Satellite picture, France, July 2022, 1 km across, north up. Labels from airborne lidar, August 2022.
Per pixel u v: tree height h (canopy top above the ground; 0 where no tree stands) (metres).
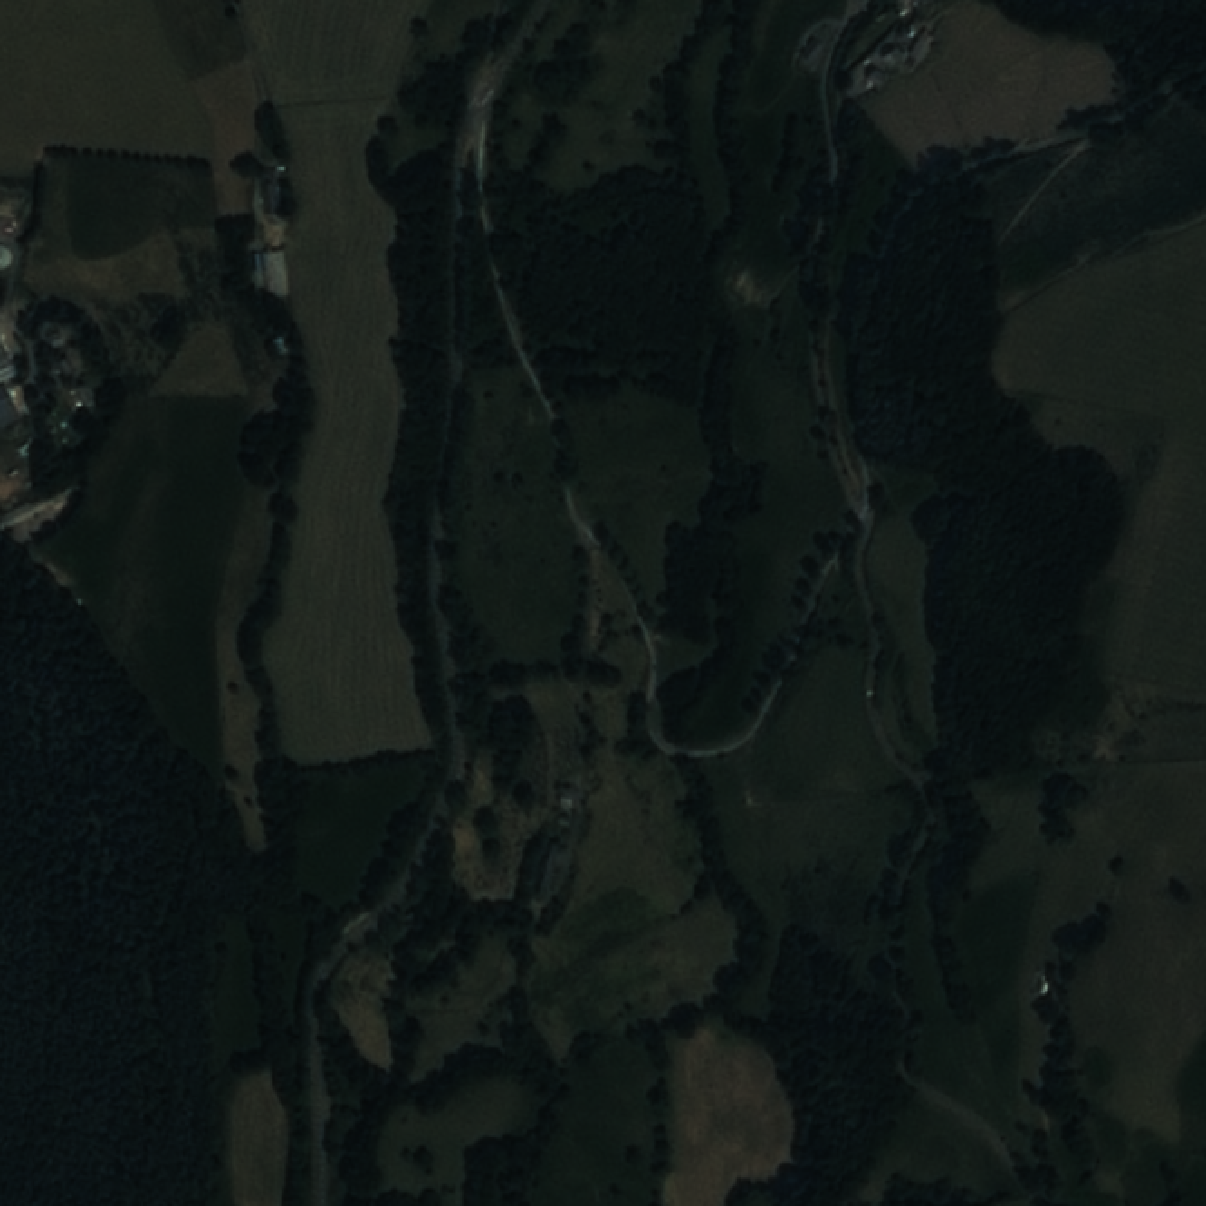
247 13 0
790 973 6
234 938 0
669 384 18
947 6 0
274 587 20
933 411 20
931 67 0
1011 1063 0
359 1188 24
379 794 0
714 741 0
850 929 0
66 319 17
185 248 0
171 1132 22
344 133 0
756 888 0
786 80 0
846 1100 21
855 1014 13
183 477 0
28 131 0
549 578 0
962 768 16
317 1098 0
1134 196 0
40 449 14
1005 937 0
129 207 0
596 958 0
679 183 10
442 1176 0
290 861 25
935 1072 0
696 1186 0
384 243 0
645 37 0
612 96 0
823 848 0
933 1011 0
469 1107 0
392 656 0
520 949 12
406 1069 15
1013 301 0
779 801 0
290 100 0
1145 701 0
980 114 0
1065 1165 0
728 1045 0
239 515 0
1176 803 0
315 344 0
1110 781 0
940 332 25
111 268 0
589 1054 13
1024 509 28
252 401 0
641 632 8
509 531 0
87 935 20
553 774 0
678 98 10
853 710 0
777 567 0
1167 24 28
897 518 0
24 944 22
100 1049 23
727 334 17
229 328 0
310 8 0
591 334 16
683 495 0
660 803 0
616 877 0
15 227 0
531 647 0
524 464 0
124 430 0
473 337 24
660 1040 19
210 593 0
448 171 13
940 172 21
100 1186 24
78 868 15
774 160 0
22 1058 19
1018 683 23
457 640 21
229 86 0
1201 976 0
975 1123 0
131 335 0
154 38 0
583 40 8
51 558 0
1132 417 0
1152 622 0
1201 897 0
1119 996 0
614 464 0
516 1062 12
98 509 0
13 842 20
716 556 17
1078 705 0
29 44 0
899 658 0
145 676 0
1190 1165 0
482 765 0
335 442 0
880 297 26
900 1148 0
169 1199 28
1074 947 16
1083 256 0
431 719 17
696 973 0
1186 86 21
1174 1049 0
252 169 16
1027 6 27
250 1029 0
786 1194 28
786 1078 19
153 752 21
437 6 0
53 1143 23
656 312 17
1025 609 23
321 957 19
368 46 0
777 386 0
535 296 16
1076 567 24
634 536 0
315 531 0
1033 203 0
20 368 16
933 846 6
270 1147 0
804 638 17
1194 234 0
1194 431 0
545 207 11
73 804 27
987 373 16
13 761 24
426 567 9
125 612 0
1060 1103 20
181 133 0
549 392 17
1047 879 0
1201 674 0
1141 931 0
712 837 15
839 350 0
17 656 32
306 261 0
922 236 25
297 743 0
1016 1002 0
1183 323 0
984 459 23
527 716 31
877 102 0
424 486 20
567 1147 0
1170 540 0
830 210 22
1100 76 0
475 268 22
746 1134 0
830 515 0
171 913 26
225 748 0
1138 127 19
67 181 0
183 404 0
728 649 18
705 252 17
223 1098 0
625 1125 0
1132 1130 0
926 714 0
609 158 0
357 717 0
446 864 26
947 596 29
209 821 23
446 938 6
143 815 27
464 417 21
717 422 17
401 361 15
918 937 0
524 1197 14
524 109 0
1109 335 0
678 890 0
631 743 7
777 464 0
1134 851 0
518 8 14
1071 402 0
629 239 19
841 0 0
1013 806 0
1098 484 28
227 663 0
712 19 18
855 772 0
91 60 0
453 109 12
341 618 0
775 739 0
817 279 12
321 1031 8
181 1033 22
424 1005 0
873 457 24
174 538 0
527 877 17
